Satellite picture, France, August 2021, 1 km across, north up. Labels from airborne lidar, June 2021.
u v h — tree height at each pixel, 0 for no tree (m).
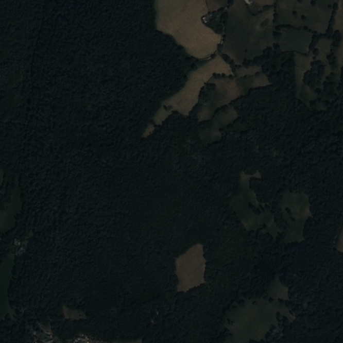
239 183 16
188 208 21
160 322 16
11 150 26
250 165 16
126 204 23
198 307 19
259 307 0
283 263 25
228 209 24
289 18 0
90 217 21
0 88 17
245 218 0
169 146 15
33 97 27
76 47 20
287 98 19
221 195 27
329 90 31
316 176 25
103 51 16
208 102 16
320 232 21
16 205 0
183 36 0
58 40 21
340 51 0
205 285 13
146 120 22
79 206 15
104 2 26
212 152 23
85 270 20
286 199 0
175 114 16
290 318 0
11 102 20
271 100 15
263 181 14
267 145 20
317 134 13
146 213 20
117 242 20
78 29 24
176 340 22
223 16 14
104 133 24
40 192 21
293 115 11
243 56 0
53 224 24
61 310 17
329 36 14
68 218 13
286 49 0
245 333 0
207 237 15
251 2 0
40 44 17
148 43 18
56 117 19
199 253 0
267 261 24
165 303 6
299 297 14
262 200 15
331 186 23
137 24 13
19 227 19
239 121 17
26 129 18
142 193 20
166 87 19
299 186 20
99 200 15
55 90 21
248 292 24
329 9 10
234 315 0
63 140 24
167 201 21
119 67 18
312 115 9
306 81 17
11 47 22
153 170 19
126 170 25
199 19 0
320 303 18
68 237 18
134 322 24
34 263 21
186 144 19
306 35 0
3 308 0
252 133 23
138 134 25
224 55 7
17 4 22
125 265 17
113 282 20
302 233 0
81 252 16
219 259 18
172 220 15
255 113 19
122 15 21
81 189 16
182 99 0
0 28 19
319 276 18
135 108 18
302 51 0
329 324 25
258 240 25
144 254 20
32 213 23
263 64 17
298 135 21
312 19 0
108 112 27
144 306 22
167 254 18
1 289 0
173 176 13
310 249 26
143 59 22
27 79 13
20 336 14
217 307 21
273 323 0
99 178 20
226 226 21
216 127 0
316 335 21
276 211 33
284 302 16
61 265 14
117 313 17
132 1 20
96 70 18
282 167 23
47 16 21
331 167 19
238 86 0
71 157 25
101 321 19
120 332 10
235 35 0
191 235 19
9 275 0
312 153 25
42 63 25
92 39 20
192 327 21
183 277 0
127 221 23
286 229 32
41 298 16
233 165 21
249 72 0
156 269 22
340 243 0
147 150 18
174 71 17
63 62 22
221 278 17
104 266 20
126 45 18
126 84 18
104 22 21
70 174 26
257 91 18
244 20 0
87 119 24
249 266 28
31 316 19
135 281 17
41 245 19
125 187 21
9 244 17
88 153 27
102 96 24
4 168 23
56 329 11
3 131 20
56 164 27
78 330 14
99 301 22
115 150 26
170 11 0
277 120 24
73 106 19
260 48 0
